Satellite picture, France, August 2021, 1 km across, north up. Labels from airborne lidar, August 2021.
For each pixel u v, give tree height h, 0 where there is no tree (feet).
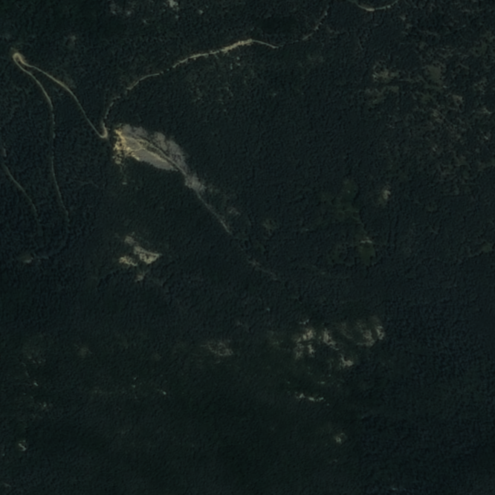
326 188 41
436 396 34
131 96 30
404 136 37
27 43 25
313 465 36
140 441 25
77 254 55
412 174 43
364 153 56
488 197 34
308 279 37
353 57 37
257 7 28
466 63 30
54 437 43
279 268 49
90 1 37
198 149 44
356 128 55
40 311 27
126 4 21
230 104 36
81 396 44
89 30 35
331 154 36
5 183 54
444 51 21
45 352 19
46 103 22
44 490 47
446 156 31
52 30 39
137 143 0
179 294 30
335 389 45
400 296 35
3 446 31
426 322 55
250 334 34
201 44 22
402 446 43
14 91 38
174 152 0
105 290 39
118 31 38
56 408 36
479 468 73
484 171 21
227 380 31
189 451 39
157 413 48
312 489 25
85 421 47
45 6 50
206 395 45
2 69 20
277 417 22
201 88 32
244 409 50
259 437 38
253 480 49
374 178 28
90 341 30
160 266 35
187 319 37
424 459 46
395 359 17
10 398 34
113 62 40
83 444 50
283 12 31
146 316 37
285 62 40
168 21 36
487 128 26
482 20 25
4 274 51
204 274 47
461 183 32
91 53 20
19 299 45
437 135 42
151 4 35
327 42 28
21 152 48
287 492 49
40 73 19
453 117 52
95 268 43
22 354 31
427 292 40
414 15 39
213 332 28
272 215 59
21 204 69
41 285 25
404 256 30
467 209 55
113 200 33
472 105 31
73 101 25
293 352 31
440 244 40
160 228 43
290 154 45
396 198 42
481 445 50
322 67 39
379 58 42
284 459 39
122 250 45
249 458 54
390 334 43
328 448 28
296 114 45
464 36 36
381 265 49
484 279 36
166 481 47
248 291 60
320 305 34
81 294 36
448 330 54
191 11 41
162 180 32
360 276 34
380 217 43
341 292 27
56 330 35
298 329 32
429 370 30
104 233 45
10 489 33
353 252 52
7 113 26
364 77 30
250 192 42
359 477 53
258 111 52
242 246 44
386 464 73
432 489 41
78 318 39
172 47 29
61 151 46
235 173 35
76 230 47
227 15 42
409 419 27
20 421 22
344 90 21
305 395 30
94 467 52
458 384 22
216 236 49
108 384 37
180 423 21
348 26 59
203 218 47
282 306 59
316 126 49
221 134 26
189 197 35
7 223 42
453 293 44
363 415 57
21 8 45
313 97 45
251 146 47
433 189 41
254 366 20
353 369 44
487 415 46
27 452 51
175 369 25
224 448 40
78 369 39
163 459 49
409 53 21
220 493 50
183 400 33
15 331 30
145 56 41
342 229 46
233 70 21
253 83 36
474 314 45
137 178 28
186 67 31
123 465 51
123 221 33
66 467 39
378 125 52
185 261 49
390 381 37
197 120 27
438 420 36
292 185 51
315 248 48
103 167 24
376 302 46
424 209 39
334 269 34
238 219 22
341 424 38
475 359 52
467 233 34
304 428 32
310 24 28
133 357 34
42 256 48
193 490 56
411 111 30
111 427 33
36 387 37
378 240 46
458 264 28
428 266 38
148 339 23
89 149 35
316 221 31
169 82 38
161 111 42
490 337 40
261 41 26
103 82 32
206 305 35
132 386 17
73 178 44
